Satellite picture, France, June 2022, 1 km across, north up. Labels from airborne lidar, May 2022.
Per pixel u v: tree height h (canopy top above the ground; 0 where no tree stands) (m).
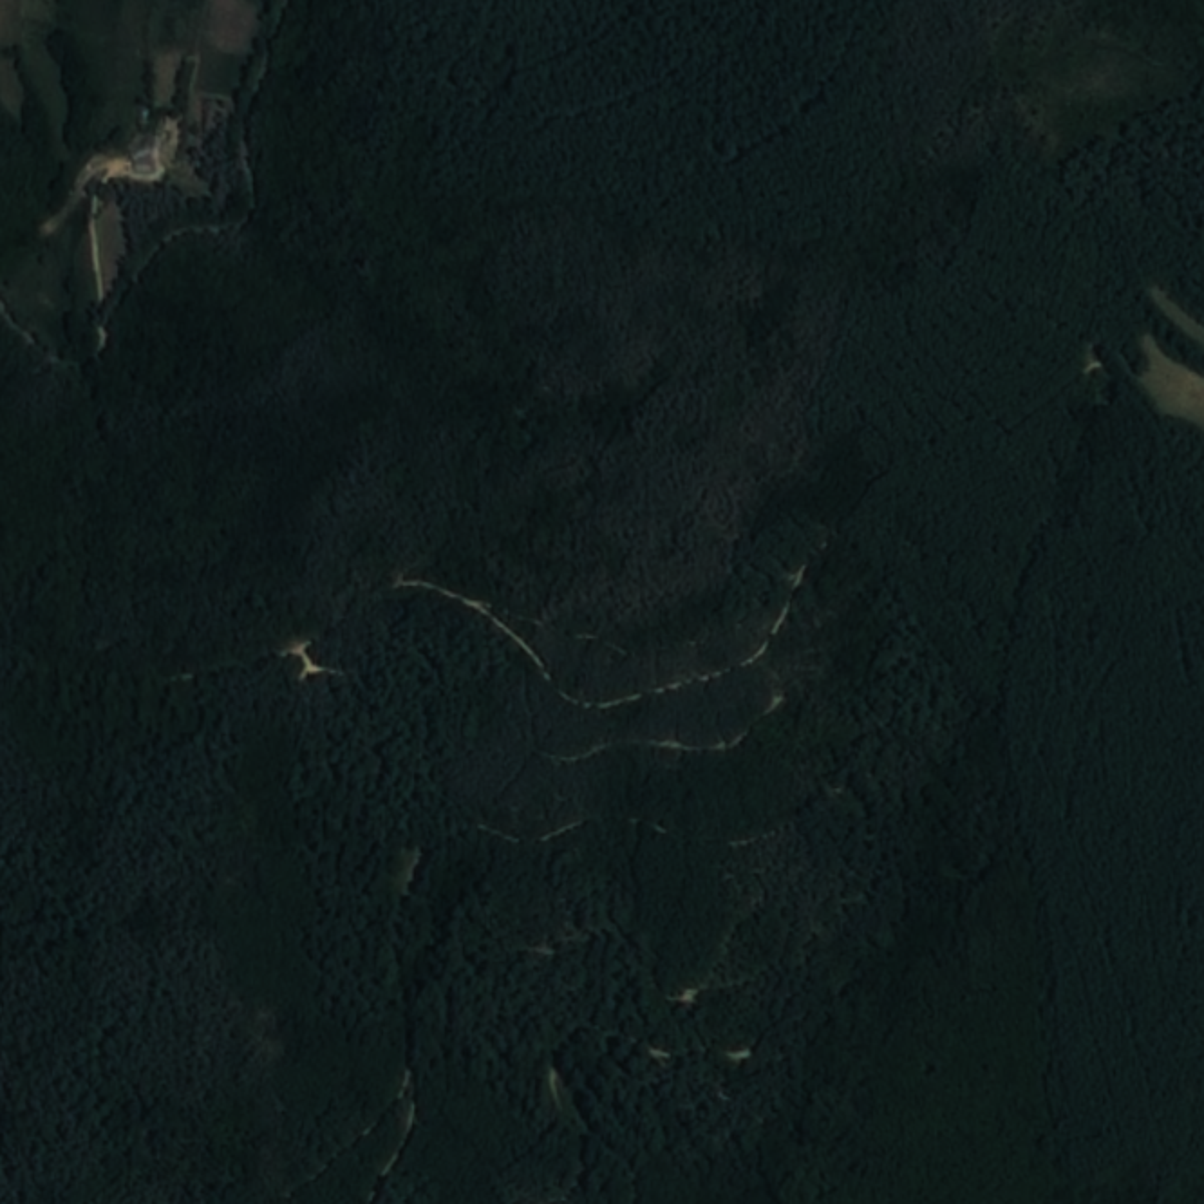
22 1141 22
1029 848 24
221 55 0
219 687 18
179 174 0
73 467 22
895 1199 20
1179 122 25
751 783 17
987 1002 22
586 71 25
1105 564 25
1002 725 23
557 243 15
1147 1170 18
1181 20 7
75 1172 25
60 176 11
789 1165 25
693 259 11
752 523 10
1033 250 24
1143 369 20
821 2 23
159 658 16
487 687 13
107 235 0
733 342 21
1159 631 27
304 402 16
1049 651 32
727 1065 16
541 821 7
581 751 12
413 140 20
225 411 16
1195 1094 23
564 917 15
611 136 27
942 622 28
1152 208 22
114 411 18
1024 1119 18
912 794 16
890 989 20
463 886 20
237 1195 32
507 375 15
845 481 15
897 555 22
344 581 10
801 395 6
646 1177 17
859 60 24
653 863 15
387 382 17
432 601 14
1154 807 24
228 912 17
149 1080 21
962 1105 21
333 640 15
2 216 24
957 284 24
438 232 24
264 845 11
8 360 22
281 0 13
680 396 19
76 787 10
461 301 20
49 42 12
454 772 13
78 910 33
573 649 9
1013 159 24
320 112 20
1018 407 26
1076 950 31
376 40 19
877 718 24
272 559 16
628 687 8
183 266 11
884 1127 18
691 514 8
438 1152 18
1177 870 22
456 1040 32
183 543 24
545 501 11
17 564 21
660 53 26
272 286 11
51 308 0
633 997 18
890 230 19
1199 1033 32
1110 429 22
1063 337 28
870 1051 20
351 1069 16
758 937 17
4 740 20
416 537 13
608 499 14
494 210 19
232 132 13
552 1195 29
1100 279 26
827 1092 21
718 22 25
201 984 20
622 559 8
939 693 35
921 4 13
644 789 14
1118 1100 28
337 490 20
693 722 13
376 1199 5
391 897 18
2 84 0
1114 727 31
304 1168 18
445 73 26
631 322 12
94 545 24
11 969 24
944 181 18
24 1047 19
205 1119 20
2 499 21
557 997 27
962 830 23
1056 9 16
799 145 21
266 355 9
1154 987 26
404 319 19
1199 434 26
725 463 14
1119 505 22
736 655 11
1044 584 28
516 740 11
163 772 24
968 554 23
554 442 22
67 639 23
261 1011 10
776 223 22
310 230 19
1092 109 12
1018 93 13
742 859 15
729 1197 26
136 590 18
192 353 11
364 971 31
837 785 26
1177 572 30
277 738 17
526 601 10
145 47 0
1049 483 23
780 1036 28
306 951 26
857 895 20
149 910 18
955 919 15
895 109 23
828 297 18
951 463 26
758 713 14
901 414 27
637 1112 26
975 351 26
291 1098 18
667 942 17
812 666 13
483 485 15
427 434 17
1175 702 23
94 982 25
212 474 21
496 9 22
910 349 26
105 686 13
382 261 18
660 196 25
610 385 18
